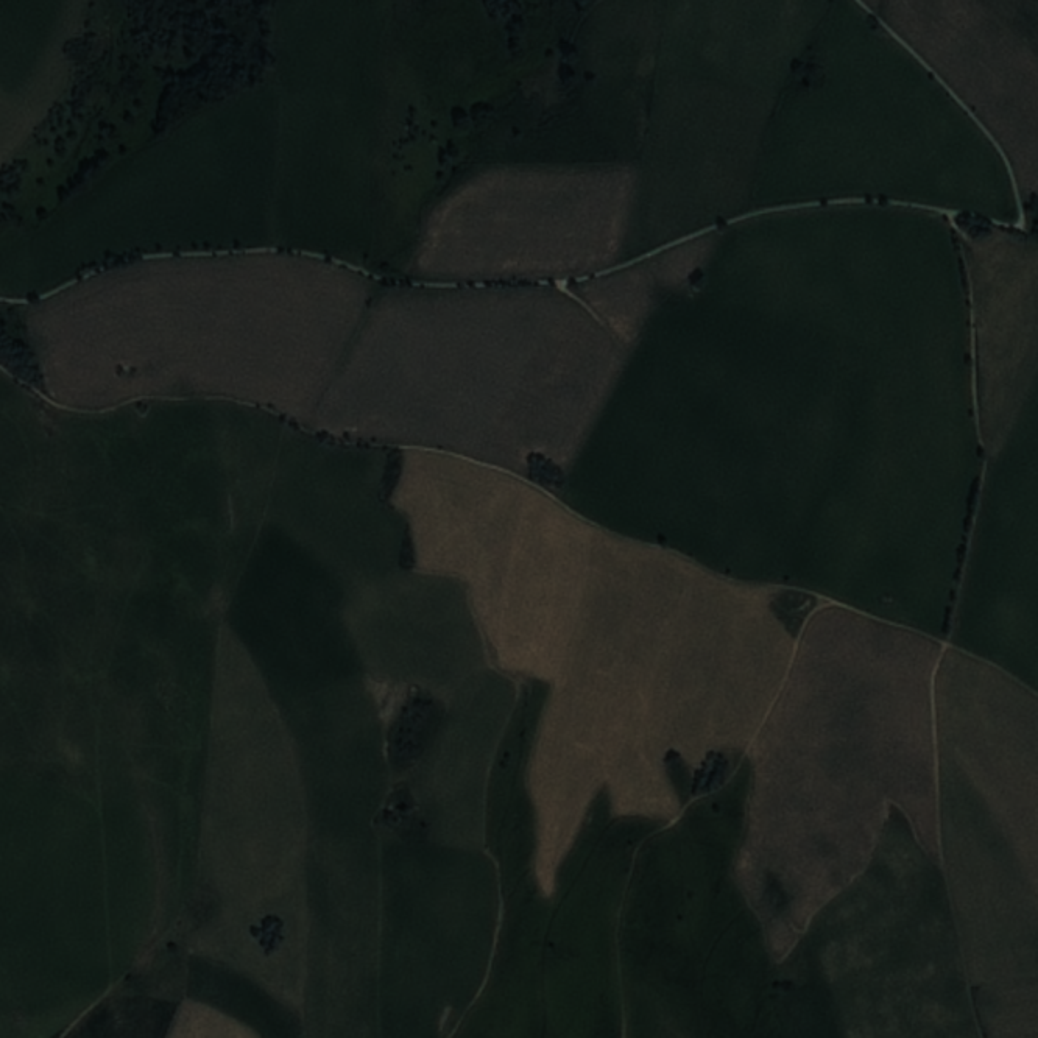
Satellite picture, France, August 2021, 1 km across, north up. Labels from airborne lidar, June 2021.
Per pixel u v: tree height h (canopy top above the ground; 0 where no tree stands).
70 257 0
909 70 0
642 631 0
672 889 0
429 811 0
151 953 0
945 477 0
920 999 0
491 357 0
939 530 0
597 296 0
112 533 0
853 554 0
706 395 0
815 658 0
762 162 0
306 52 0
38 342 0
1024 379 0
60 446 0
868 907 0
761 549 0
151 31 12
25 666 0
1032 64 0
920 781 0
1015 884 0
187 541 0
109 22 0
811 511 0
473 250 0
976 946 0
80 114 7
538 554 0
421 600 0
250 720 0
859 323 0
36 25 0
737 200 0
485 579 0
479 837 0
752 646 0
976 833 0
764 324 0
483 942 0
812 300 0
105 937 0
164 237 0
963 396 0
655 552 0
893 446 0
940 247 0
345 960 0
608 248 0
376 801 0
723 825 0
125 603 0
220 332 0
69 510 0
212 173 0
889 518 0
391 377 0
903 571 0
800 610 0
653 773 0
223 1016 0
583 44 0
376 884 0
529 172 0
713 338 0
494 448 0
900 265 0
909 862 0
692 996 0
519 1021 0
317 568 0
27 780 0
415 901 0
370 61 0
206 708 0
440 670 0
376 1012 0
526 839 0
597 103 0
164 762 0
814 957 0
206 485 0
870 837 0
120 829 0
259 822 0
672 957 0
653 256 0
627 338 0
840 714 0
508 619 0
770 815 0
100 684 0
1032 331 0
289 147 0
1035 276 0
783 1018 0
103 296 0
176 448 0
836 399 0
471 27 0
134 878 0
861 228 0
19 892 0
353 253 0
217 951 0
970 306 7
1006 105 0
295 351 0
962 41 0
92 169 18
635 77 0
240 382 0
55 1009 0
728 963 0
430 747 0
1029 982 0
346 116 0
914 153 0
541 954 0
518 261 0
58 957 0
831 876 0
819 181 0
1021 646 0
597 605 0
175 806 0
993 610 0
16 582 0
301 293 0
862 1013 0
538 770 0
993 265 0
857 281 0
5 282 0
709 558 0
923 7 0
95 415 0
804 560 0
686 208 0
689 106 0
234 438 0
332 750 0
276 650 0
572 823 0
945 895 0
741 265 0
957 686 0
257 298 0
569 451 0
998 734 0
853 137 0
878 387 0
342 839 0
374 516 0
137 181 0
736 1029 0
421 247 0
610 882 0
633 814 0
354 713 0
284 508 0
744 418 0
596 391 0
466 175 0
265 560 0
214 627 0
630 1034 0
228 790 0
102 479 0
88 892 0
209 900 0
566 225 0
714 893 0
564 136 0
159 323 0
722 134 0
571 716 0
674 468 0
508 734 0
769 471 0
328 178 0
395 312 0
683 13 0
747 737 0
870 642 0
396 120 0
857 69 0
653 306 0
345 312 0
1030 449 0
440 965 0
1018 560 0
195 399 0
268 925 11
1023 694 0
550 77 0
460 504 0
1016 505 0
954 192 0
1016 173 0
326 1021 0
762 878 0
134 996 0
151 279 0
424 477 0
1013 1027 0
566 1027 0
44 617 0
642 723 0
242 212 0
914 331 0
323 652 0
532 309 0
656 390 0
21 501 0
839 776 0
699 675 0
